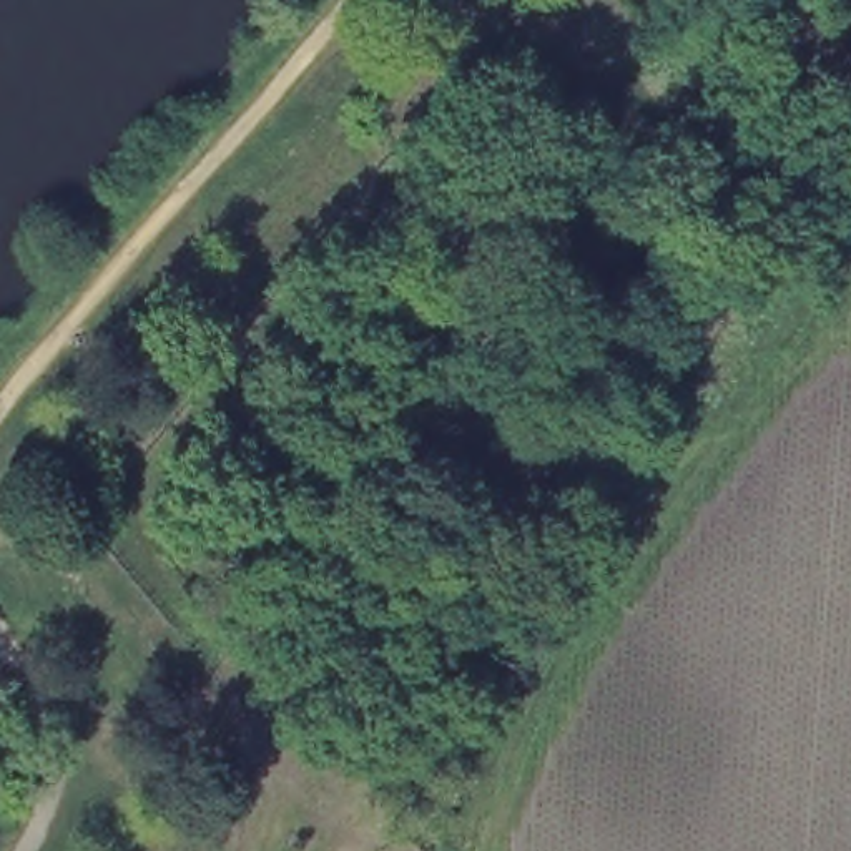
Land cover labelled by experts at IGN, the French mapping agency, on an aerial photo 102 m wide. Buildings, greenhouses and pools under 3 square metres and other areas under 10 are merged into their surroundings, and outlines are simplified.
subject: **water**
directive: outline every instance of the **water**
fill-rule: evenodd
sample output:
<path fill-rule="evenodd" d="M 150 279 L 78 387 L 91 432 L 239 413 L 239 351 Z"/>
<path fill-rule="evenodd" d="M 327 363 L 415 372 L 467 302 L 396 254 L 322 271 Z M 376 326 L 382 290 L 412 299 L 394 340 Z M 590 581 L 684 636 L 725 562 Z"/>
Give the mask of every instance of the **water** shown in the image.
<path fill-rule="evenodd" d="M 100 206 L 100 199 L 93 196 L 93 176 L 110 166 L 123 133 L 133 123 L 146 120 L 166 100 L 213 100 L 223 100 L 229 90 L 229 50 L 239 30 L 253 10 L 253 0 L 0 0 L 0 319 L 20 316 L 27 306 L 30 283 L 17 266 L 13 239 L 20 233 L 27 209 L 47 206 L 60 213 L 66 223 L 80 226 Z"/>

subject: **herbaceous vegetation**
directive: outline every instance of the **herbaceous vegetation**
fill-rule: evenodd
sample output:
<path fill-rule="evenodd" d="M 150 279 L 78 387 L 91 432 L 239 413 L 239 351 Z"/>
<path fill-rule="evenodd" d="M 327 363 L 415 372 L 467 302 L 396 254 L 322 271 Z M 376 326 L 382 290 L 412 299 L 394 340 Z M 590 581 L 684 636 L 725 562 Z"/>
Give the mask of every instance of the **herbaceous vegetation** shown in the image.
<path fill-rule="evenodd" d="M 0 482 L 10 469 L 17 442 L 37 429 L 30 422 L 33 406 L 53 392 L 73 389 L 80 376 L 86 379 L 90 372 L 100 372 L 103 362 L 113 359 L 110 342 L 86 322 L 73 336 L 73 342 L 57 356 L 57 362 L 17 399 L 17 406 L 0 426 Z"/>
<path fill-rule="evenodd" d="M 0 319 L 0 389 L 10 379 L 10 372 L 27 359 L 27 352 L 53 329 L 27 306 L 20 316 Z"/>
<path fill-rule="evenodd" d="M 642 602 L 648 585 L 658 578 L 665 558 L 681 545 L 688 529 L 695 525 L 698 512 L 741 469 L 755 442 L 775 426 L 791 396 L 801 386 L 808 386 L 834 356 L 851 352 L 851 283 L 848 289 L 834 289 L 828 283 L 824 289 L 814 289 L 794 303 L 781 296 L 761 312 L 721 316 L 711 326 L 708 339 L 715 342 L 715 379 L 698 392 L 698 429 L 681 432 L 671 455 L 655 472 L 658 479 L 665 479 L 655 532 L 642 542 L 628 572 L 618 572 L 618 585 L 608 588 L 595 575 L 592 602 L 585 602 L 578 622 L 558 638 L 555 648 L 532 652 L 532 662 L 525 668 L 539 671 L 539 688 L 522 701 L 522 708 L 502 718 L 505 738 L 495 738 L 495 745 L 482 751 L 475 775 L 465 771 L 459 778 L 455 804 L 435 804 L 432 811 L 422 811 L 429 818 L 426 841 L 435 851 L 505 851 L 522 821 L 522 808 L 529 804 L 532 785 L 542 771 L 548 748 L 575 715 L 588 675 L 612 648 L 625 615 Z"/>
<path fill-rule="evenodd" d="M 243 781 L 263 781 L 249 814 L 236 821 L 229 831 L 229 851 L 379 851 L 379 841 L 392 814 L 382 811 L 379 794 L 369 791 L 362 778 L 303 771 L 299 761 L 283 755 L 273 745 L 269 715 L 249 701 L 249 678 L 236 675 L 223 685 L 216 701 L 209 701 L 193 718 L 206 745 L 223 748 L 226 775 L 239 771 Z"/>
<path fill-rule="evenodd" d="M 136 442 L 143 459 L 160 442 L 176 445 L 176 429 L 189 419 L 189 412 L 176 402 L 160 416 L 156 429 L 150 429 Z"/>
<path fill-rule="evenodd" d="M 342 186 L 356 183 L 366 170 L 392 173 L 409 163 L 412 146 L 402 143 L 406 123 L 382 126 L 376 133 L 369 156 L 349 150 L 339 113 L 352 100 L 352 86 L 359 86 L 359 76 L 349 70 L 349 57 L 332 40 L 312 60 L 312 66 L 289 86 L 279 106 L 253 130 L 253 136 L 160 229 L 160 236 L 140 253 L 140 259 L 126 269 L 120 283 L 126 289 L 136 289 L 153 279 L 160 266 L 166 266 L 163 273 L 176 283 L 186 283 L 193 289 L 193 299 L 209 306 L 216 322 L 233 326 L 239 319 L 253 329 L 256 316 L 266 309 L 266 286 L 273 283 L 269 259 L 283 256 L 293 243 L 296 219 L 319 216 L 319 209 Z M 223 273 L 206 266 L 203 253 L 186 243 L 203 226 L 223 236 L 239 253 L 236 269 Z"/>
<path fill-rule="evenodd" d="M 253 103 L 253 96 L 273 80 L 273 73 L 289 60 L 296 47 L 289 40 L 269 43 L 266 37 L 249 40 L 239 30 L 229 50 L 229 90 L 223 100 L 213 100 L 213 106 L 196 123 L 203 140 L 189 153 L 189 166 Z"/>
<path fill-rule="evenodd" d="M 106 695 L 103 718 L 93 738 L 76 741 L 70 748 L 70 758 L 53 775 L 43 775 L 43 788 L 60 785 L 66 794 L 50 821 L 40 851 L 86 851 L 93 838 L 80 831 L 80 814 L 96 804 L 116 804 L 123 798 L 113 785 L 126 775 L 126 765 L 116 758 L 113 748 L 116 725 L 126 711 L 126 698 L 136 695 L 140 681 L 153 671 L 150 655 L 160 645 L 196 652 L 196 642 L 186 635 L 176 615 L 193 605 L 196 588 L 186 592 L 189 572 L 173 568 L 163 558 L 163 548 L 153 539 L 146 539 L 143 519 L 136 512 L 113 522 L 106 552 L 80 572 L 60 565 L 53 552 L 40 558 L 20 555 L 13 539 L 0 529 L 0 612 L 17 642 L 30 638 L 40 628 L 43 615 L 76 605 L 96 608 L 110 628 L 106 658 L 100 665 L 100 691 Z"/>

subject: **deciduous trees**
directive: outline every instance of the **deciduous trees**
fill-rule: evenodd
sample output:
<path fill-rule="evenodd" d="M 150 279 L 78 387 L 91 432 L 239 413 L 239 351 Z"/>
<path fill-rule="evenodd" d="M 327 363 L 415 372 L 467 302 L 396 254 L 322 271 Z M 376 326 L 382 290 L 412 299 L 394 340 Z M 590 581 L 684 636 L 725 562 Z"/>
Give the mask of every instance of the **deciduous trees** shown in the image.
<path fill-rule="evenodd" d="M 239 253 L 223 236 L 203 226 L 186 243 L 203 253 L 206 266 L 223 273 L 236 269 Z"/>
<path fill-rule="evenodd" d="M 76 741 L 93 738 L 103 718 L 106 695 L 100 691 L 100 665 L 106 658 L 110 628 L 96 608 L 76 605 L 43 615 L 40 628 L 30 638 L 17 642 L 0 612 L 0 851 L 13 851 L 20 844 L 20 831 L 33 818 L 37 794 L 43 788 L 43 775 L 53 775 L 70 758 L 70 748 Z"/>
<path fill-rule="evenodd" d="M 266 37 L 269 43 L 289 40 L 296 47 L 312 33 L 319 7 L 326 0 L 253 0 L 253 10 L 239 30 L 249 40 Z"/>
<path fill-rule="evenodd" d="M 522 701 L 539 688 L 539 671 L 525 668 L 532 662 L 532 652 L 555 648 L 558 638 L 578 622 L 585 602 L 592 602 L 595 575 L 608 588 L 618 585 L 618 572 L 628 572 L 642 542 L 655 532 L 665 479 L 658 479 L 655 472 L 671 455 L 681 432 L 698 429 L 698 392 L 715 379 L 715 342 L 708 339 L 711 326 L 721 316 L 761 312 L 781 296 L 794 303 L 814 289 L 824 289 L 828 283 L 834 289 L 848 289 L 851 283 L 851 0 L 349 0 L 342 7 L 342 20 L 336 23 L 332 40 L 349 57 L 349 70 L 359 76 L 359 86 L 352 86 L 352 100 L 339 113 L 349 150 L 369 156 L 376 133 L 382 126 L 406 123 L 402 143 L 412 146 L 409 163 L 392 173 L 366 170 L 356 183 L 342 186 L 319 209 L 319 216 L 296 219 L 293 243 L 283 256 L 269 259 L 273 283 L 266 286 L 266 309 L 256 316 L 253 329 L 239 319 L 233 326 L 216 322 L 209 306 L 193 299 L 193 289 L 186 283 L 176 283 L 163 273 L 166 266 L 160 266 L 153 279 L 136 289 L 126 289 L 120 283 L 86 322 L 110 342 L 113 359 L 103 362 L 100 372 L 90 372 L 86 379 L 80 376 L 73 389 L 53 392 L 33 406 L 30 422 L 37 429 L 17 442 L 10 469 L 0 482 L 0 529 L 13 539 L 20 555 L 40 558 L 53 552 L 60 565 L 80 572 L 106 552 L 113 522 L 136 512 L 143 519 L 146 539 L 153 539 L 163 548 L 163 558 L 173 568 L 189 572 L 186 592 L 196 588 L 193 605 L 176 615 L 186 635 L 196 642 L 196 652 L 160 645 L 150 655 L 153 671 L 140 681 L 136 695 L 126 698 L 126 711 L 116 725 L 113 748 L 116 758 L 126 765 L 126 775 L 113 785 L 123 798 L 116 804 L 96 804 L 80 814 L 80 831 L 93 838 L 86 851 L 229 851 L 229 831 L 236 821 L 249 814 L 263 781 L 243 781 L 239 771 L 226 775 L 223 748 L 206 745 L 193 718 L 209 701 L 216 701 L 223 685 L 236 675 L 249 678 L 249 701 L 269 715 L 273 745 L 283 755 L 299 761 L 303 771 L 362 778 L 369 791 L 379 794 L 382 811 L 392 814 L 379 841 L 379 851 L 435 851 L 426 841 L 429 818 L 422 811 L 432 811 L 435 804 L 455 804 L 459 778 L 465 771 L 475 775 L 482 751 L 495 745 L 495 738 L 505 738 L 502 718 L 522 708 Z M 160 442 L 143 459 L 136 442 L 150 429 L 156 429 L 160 416 L 176 402 L 189 412 L 189 419 L 176 429 L 176 445 Z"/>
<path fill-rule="evenodd" d="M 100 199 L 100 206 L 80 226 L 66 223 L 60 213 L 47 206 L 27 209 L 20 233 L 13 239 L 17 266 L 30 283 L 27 306 L 53 329 L 63 319 L 63 312 L 76 303 L 76 296 L 90 286 L 90 279 L 103 269 L 110 253 L 150 216 L 150 209 L 173 189 L 176 176 L 183 176 L 189 166 L 189 153 L 203 140 L 196 123 L 213 106 L 213 100 L 166 100 L 146 120 L 133 123 L 123 133 L 110 166 L 93 176 L 93 196 Z"/>

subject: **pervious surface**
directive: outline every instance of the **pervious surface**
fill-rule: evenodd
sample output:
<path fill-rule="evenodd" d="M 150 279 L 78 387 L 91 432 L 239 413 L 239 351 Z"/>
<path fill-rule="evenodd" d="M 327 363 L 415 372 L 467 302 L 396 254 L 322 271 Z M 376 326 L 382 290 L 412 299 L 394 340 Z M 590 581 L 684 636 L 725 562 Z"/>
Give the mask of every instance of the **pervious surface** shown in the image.
<path fill-rule="evenodd" d="M 50 821 L 66 794 L 60 785 L 43 788 L 37 794 L 33 818 L 20 831 L 20 844 L 13 851 L 40 851 Z"/>
<path fill-rule="evenodd" d="M 76 296 L 76 303 L 63 312 L 63 319 L 53 329 L 27 352 L 27 359 L 10 372 L 10 379 L 0 389 L 0 426 L 17 406 L 17 399 L 57 362 L 57 356 L 73 342 L 73 336 L 86 322 L 120 283 L 126 269 L 140 259 L 140 253 L 160 236 L 160 229 L 253 136 L 253 130 L 279 106 L 289 86 L 312 66 L 312 60 L 332 40 L 336 23 L 342 20 L 342 7 L 349 0 L 326 0 L 319 7 L 312 33 L 296 47 L 289 60 L 273 73 L 273 80 L 253 96 L 253 103 L 189 166 L 183 176 L 176 176 L 173 189 L 150 209 L 150 216 L 110 253 L 103 269 L 90 279 L 90 286 Z"/>

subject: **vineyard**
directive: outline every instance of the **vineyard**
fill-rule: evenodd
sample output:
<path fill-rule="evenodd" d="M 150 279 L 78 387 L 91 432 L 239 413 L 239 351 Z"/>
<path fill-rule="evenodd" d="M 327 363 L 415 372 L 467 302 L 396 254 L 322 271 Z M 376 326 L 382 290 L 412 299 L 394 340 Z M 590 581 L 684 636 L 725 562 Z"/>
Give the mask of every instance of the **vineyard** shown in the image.
<path fill-rule="evenodd" d="M 755 442 L 741 469 L 698 512 L 695 525 L 688 529 L 681 545 L 665 558 L 658 578 L 648 585 L 642 602 L 625 615 L 612 648 L 588 675 L 575 715 L 548 748 L 542 771 L 532 785 L 529 804 L 522 808 L 522 821 L 505 851 L 851 851 L 851 352 L 834 356 L 808 386 L 801 386 L 791 396 L 775 426 Z"/>

